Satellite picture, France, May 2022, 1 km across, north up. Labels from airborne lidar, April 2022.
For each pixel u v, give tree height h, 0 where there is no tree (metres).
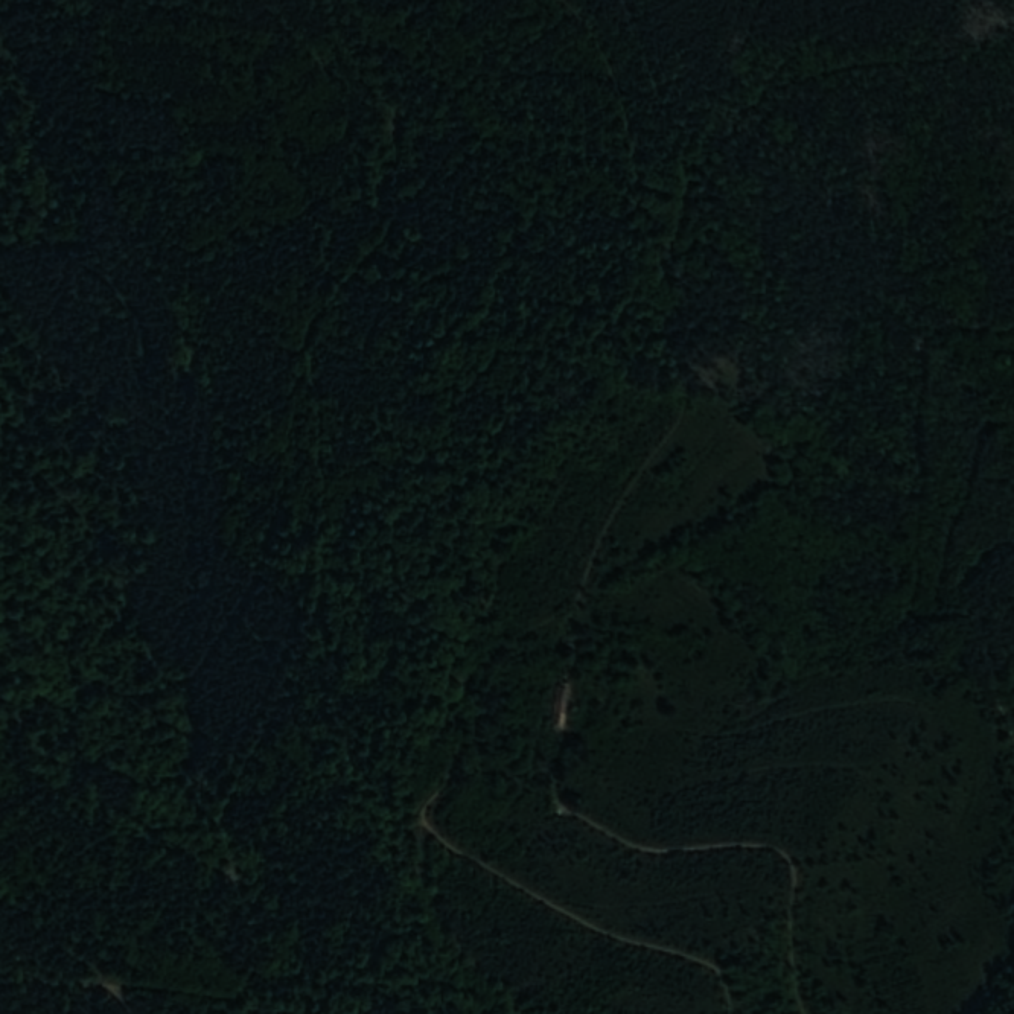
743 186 25
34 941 22
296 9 23
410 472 25
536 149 17
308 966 22
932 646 24
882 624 24
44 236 8
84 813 18
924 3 25
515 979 7
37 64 30
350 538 31
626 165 24
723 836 0
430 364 31
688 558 25
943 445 18
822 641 10
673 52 19
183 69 18
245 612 29
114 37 18
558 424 21
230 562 25
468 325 28
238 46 23
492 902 6
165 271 25
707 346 28
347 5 19
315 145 14
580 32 14
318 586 34
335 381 21
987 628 21
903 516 17
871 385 31
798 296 23
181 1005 14
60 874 17
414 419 22
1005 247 26
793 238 28
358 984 16
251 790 14
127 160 32
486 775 9
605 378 24
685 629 13
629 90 20
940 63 19
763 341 26
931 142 25
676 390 18
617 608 6
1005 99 25
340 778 15
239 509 13
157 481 34
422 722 25
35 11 26
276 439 21
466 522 26
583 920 0
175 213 24
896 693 0
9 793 20
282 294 21
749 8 17
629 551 17
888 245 22
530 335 25
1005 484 21
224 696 32
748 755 6
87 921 24
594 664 19
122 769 22
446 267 21
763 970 18
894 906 0
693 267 21
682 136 19
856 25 26
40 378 14
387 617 20
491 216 23
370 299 21
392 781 27
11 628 34
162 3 15
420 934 12
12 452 24
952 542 20
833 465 21
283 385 22
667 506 6
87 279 28
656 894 0
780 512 23
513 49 11
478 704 24
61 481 20
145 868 19
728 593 24
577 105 18
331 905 21
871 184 22
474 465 18
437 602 28
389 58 29
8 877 14
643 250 26
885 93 25
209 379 23
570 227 18
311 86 17
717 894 0
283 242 28
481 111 21
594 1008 6
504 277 21
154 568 34
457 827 7
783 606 20
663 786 0
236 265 27
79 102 33
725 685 0
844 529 25
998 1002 23
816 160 20
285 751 15
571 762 25
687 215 22
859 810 0
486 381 21
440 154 23
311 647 31
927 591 20
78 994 20
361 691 14
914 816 0
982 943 0
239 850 21
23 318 32
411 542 28
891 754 0
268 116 22
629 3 17
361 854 21
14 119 31
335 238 24
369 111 17
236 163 25
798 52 22
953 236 23
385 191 22
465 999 20
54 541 27
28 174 20
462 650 21
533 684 7
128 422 29
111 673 28
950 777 26
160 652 37
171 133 29
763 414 22
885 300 26
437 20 22
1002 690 20
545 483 9
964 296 23
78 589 22
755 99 25
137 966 18
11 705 17
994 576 22
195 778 25
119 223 28
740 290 29
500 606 14
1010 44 20
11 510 26
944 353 22
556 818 8
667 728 0
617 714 9
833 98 26
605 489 5
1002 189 21
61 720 21
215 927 15
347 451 23
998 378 14
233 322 21
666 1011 0
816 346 27
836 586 23
